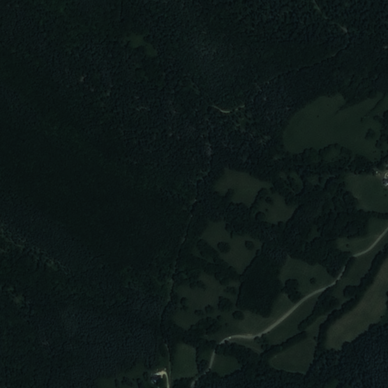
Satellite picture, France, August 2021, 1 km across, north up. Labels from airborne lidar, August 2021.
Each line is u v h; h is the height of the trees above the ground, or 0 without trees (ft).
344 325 0
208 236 0
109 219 44
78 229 51
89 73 47
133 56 84
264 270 52
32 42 40
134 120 53
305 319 20
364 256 0
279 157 0
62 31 65
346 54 81
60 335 70
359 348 70
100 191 37
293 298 46
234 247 0
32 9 56
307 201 73
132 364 51
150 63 82
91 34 75
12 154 42
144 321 87
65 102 30
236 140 87
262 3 23
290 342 61
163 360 0
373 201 0
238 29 50
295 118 0
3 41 39
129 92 75
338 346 0
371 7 67
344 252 40
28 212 58
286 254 73
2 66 43
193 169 65
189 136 85
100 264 63
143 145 71
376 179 0
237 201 0
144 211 38
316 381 73
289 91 89
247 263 0
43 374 86
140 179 50
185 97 87
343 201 65
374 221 0
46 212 45
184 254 57
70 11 66
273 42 58
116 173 49
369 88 34
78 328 74
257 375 43
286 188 53
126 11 70
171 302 39
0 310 92
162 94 76
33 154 41
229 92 44
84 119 45
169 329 69
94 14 73
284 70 77
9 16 63
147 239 44
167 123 91
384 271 0
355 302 64
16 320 82
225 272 55
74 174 35
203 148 81
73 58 51
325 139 0
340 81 70
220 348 79
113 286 68
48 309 80
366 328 0
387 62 74
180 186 48
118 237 49
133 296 65
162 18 70
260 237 32
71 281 81
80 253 61
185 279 47
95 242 39
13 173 33
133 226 42
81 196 39
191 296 0
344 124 0
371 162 36
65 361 77
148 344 95
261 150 100
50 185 43
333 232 62
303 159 29
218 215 70
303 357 0
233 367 0
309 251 44
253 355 75
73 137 52
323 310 32
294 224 61
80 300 80
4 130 57
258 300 63
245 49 49
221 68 29
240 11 30
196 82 62
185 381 73
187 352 0
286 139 0
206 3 61
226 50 43
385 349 83
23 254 28
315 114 0
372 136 56
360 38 51
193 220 42
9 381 49
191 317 0
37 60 57
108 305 52
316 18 56
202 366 60
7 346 85
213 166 72
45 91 36
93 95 58
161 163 71
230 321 0
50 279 47
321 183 31
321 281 0
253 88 64
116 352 93
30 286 87
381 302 0
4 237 26
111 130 36
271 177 76
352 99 35
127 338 63
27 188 40
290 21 31
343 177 54
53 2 54
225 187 0
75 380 85
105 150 39
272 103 85
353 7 60
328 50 63
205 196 63
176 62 73
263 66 57
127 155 48
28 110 70
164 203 48
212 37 42
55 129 52
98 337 91
